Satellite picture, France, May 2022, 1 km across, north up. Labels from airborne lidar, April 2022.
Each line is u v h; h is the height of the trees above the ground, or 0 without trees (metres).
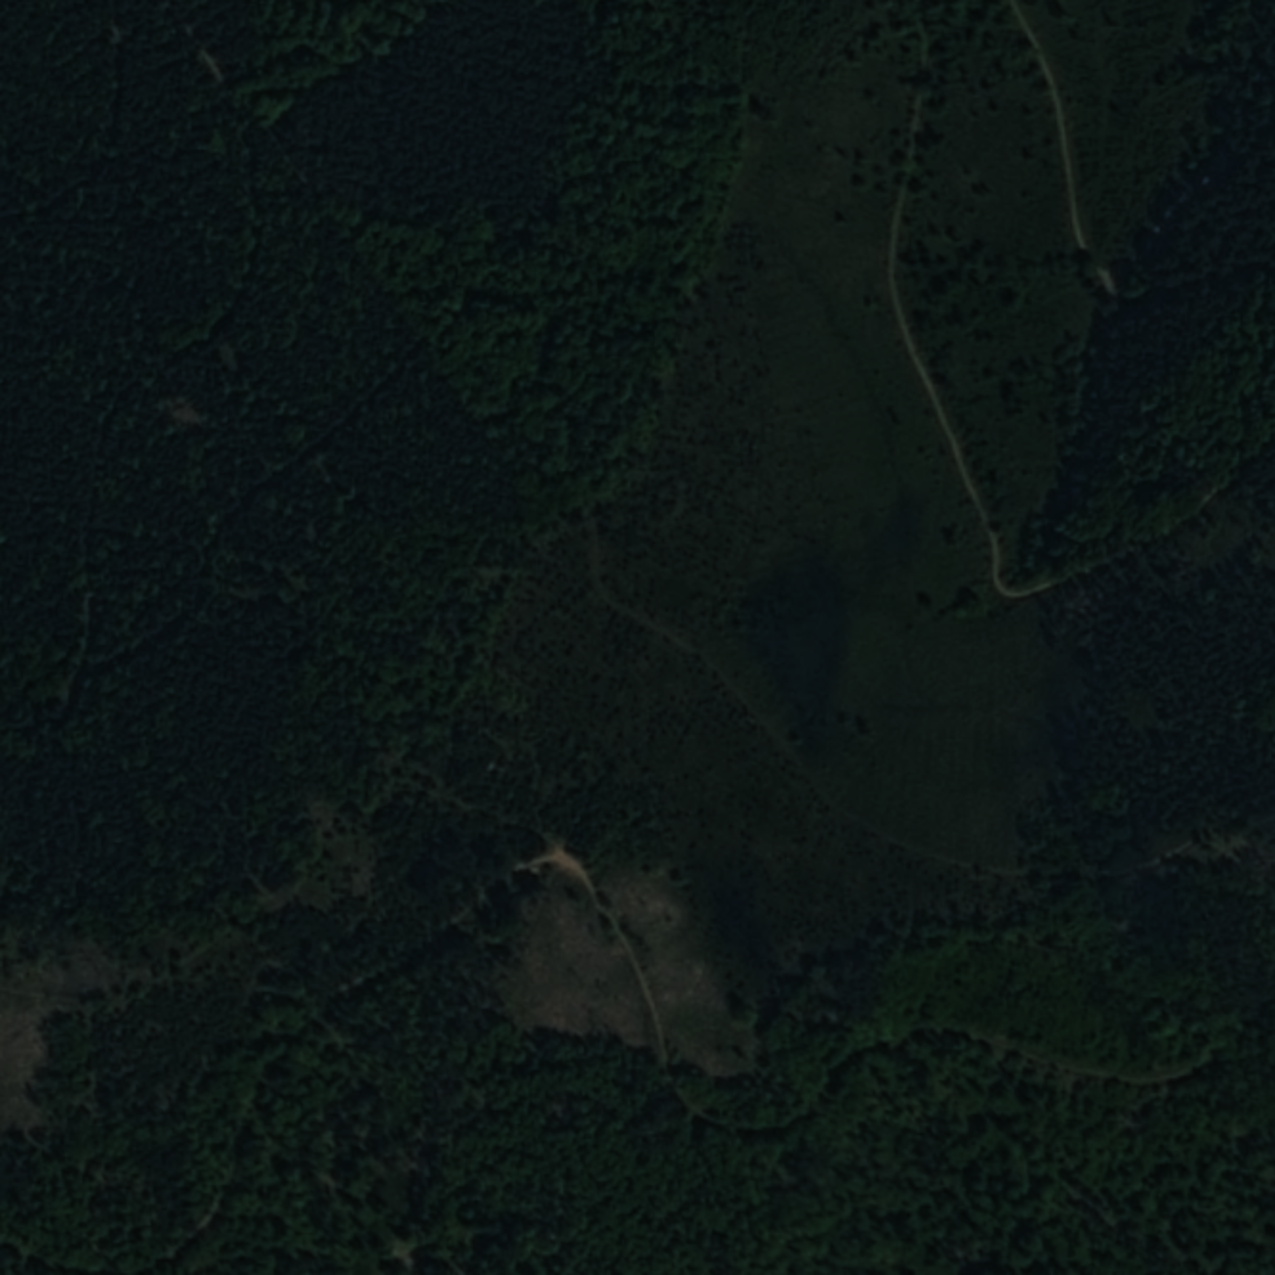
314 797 18
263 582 17
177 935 18
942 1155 7
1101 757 24
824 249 0
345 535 17
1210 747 23
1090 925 21
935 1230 34
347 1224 33
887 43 14
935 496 0
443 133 25
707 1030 0
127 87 19
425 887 36
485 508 16
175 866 13
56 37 20
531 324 22
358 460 18
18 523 20
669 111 10
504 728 8
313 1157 33
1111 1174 28
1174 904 21
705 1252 21
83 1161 6
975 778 0
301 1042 27
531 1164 25
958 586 0
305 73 28
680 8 13
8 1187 8
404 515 20
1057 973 6
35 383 17
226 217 19
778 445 0
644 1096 27
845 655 0
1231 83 35
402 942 9
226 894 12
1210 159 0
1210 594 18
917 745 0
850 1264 34
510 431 22
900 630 0
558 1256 26
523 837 11
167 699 15
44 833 15
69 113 19
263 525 19
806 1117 23
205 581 16
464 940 27
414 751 16
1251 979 21
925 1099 26
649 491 7
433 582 19
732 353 0
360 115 28
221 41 18
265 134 21
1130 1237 30
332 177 21
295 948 9
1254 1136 20
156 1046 10
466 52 24
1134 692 22
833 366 0
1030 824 6
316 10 27
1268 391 23
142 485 18
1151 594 30
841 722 9
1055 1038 10
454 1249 24
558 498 15
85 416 15
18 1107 0
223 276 23
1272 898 16
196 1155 18
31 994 0
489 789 8
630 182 23
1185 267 40
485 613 20
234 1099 23
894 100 0
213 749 17
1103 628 25
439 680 14
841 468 0
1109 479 29
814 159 0
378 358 20
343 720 19
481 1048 28
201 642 18
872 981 24
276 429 20
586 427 22
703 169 14
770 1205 27
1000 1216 27
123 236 19
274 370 19
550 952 0
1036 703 0
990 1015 10
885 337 0
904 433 0
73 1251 21
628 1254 26
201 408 17
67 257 19
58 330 12
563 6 18
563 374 23
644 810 8
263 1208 6
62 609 22
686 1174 24
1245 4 28
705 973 0
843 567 0
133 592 16
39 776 19
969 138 0
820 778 0
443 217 24
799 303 0
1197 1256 8
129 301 18
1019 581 12
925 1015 18
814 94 0
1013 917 7
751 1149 24
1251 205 34
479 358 11
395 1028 37
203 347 20
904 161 17
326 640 19
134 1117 26
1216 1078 20
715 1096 18
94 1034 9
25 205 18
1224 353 18
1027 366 19
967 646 0
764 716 0
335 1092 32
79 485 19
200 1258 11
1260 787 19
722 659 0
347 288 20
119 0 21
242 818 14
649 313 19
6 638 22
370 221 24
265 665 18
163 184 20
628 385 24
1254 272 22
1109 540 22
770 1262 27
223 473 19
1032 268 13
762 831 0
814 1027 22
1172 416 27
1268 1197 14
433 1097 34
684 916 0
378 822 11
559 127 21
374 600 16
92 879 13
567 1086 24
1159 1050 10
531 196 23
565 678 6
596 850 9
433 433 16
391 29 24
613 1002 0
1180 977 20
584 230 27
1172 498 24
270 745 14
